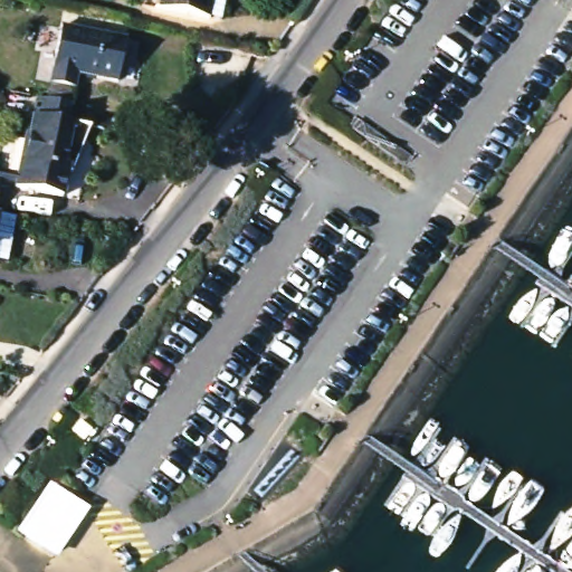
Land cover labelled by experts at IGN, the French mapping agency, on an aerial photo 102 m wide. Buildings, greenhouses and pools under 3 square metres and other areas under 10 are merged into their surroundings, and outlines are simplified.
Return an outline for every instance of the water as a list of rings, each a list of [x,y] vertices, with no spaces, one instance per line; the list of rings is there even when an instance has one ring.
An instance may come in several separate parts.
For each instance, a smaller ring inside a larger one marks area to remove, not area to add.
[[[241,552],[237,556],[248,572],[270,572],[266,565],[252,561],[248,552]]]
[[[398,465],[389,465],[384,469],[384,474],[375,480],[375,489],[366,489],[364,505],[353,516],[353,523],[346,525],[342,538],[311,545],[311,552],[306,556],[297,556],[295,561],[284,563],[279,572],[572,572],[572,199],[561,215],[552,215],[538,239],[532,239],[525,232],[518,237],[507,237],[505,232],[501,232],[501,237],[492,244],[494,252],[501,252],[503,257],[512,259],[525,270],[516,275],[507,286],[505,295],[498,297],[496,311],[489,315],[487,326],[483,326],[478,340],[460,360],[458,371],[447,378],[440,393],[420,411],[420,416],[425,416],[429,422],[413,440],[413,447],[402,451]]]

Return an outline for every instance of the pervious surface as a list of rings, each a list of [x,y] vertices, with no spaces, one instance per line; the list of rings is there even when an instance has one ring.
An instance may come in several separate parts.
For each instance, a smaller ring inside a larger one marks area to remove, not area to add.
[[[105,275],[92,273],[89,266],[69,268],[60,273],[49,273],[34,275],[31,279],[29,275],[22,275],[18,270],[0,270],[0,279],[7,279],[11,284],[36,282],[36,286],[47,290],[58,286],[74,288],[78,290],[85,304],[94,304],[94,295],[98,295],[98,284]]]
[[[293,20],[288,18],[264,20],[257,16],[223,16],[215,29],[273,38],[284,36],[286,27]]]
[[[143,237],[150,217],[156,212],[165,194],[174,185],[170,179],[147,183],[139,177],[139,185],[130,183],[114,197],[103,197],[98,201],[78,199],[56,197],[51,215],[58,219],[65,217],[72,221],[92,223],[96,223],[98,217],[114,217],[114,223],[127,230],[130,248]]]

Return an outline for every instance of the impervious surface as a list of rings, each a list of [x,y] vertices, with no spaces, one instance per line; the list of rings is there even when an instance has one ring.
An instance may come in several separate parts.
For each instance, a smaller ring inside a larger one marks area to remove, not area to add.
[[[36,250],[36,244],[34,237],[27,237],[27,228],[22,226],[22,221],[16,219],[11,255],[29,257]]]
[[[369,9],[369,20],[378,25],[375,34],[362,51],[344,51],[349,72],[344,72],[337,78],[335,89],[335,103],[344,105],[353,114],[353,130],[362,139],[366,139],[387,154],[398,147],[398,156],[409,161],[409,168],[413,170],[416,179],[409,181],[402,172],[387,165],[360,145],[344,136],[340,130],[324,123],[320,116],[313,116],[308,112],[308,94],[317,83],[315,74],[322,72],[324,65],[331,60],[331,49],[340,34],[346,31],[351,16],[360,7]],[[83,498],[89,505],[89,509],[60,552],[47,554],[36,550],[20,532],[20,525],[0,527],[0,572],[132,572],[132,568],[159,554],[163,545],[179,543],[179,532],[183,527],[190,530],[194,525],[219,525],[221,534],[194,550],[188,550],[183,556],[179,556],[159,572],[248,572],[237,556],[241,552],[248,552],[252,561],[266,565],[270,572],[279,572],[284,563],[295,561],[297,556],[306,556],[311,552],[311,545],[342,538],[346,525],[353,523],[353,516],[364,505],[366,489],[375,489],[375,480],[384,474],[384,469],[389,465],[398,465],[402,451],[413,447],[413,440],[429,422],[425,416],[420,416],[420,411],[440,393],[447,378],[458,371],[460,360],[478,340],[483,326],[487,326],[489,315],[496,311],[498,297],[505,295],[507,286],[516,275],[525,270],[512,259],[503,257],[501,252],[494,252],[492,244],[501,237],[501,232],[505,232],[507,237],[518,237],[525,232],[532,239],[538,239],[552,215],[561,215],[572,199],[572,89],[561,101],[552,121],[545,125],[541,139],[527,150],[527,154],[514,168],[501,197],[480,197],[480,201],[471,208],[476,219],[463,223],[467,228],[467,239],[471,244],[465,255],[454,259],[442,248],[449,241],[449,235],[454,232],[454,223],[436,212],[440,199],[449,192],[454,181],[471,179],[476,188],[487,185],[487,181],[494,177],[494,170],[501,168],[501,159],[507,159],[503,150],[496,147],[496,141],[501,145],[512,147],[514,139],[523,130],[534,132],[534,125],[525,125],[525,118],[534,116],[534,112],[541,107],[541,101],[545,101],[556,76],[563,69],[572,72],[572,0],[320,0],[306,20],[293,20],[286,27],[284,36],[290,42],[275,56],[244,51],[230,45],[203,45],[201,49],[192,47],[192,56],[197,58],[192,63],[192,78],[179,94],[174,94],[179,112],[188,114],[197,130],[215,141],[215,159],[212,165],[206,165],[194,179],[174,185],[165,194],[156,212],[150,217],[143,237],[130,248],[127,255],[105,275],[98,284],[98,295],[94,295],[94,304],[85,304],[78,311],[78,315],[65,326],[63,335],[47,351],[34,351],[27,344],[0,342],[0,358],[16,351],[22,355],[22,364],[34,366],[31,373],[20,378],[7,395],[0,395],[0,485],[2,476],[16,474],[18,465],[25,460],[25,456],[31,454],[31,449],[38,449],[45,440],[47,445],[56,445],[56,438],[47,436],[45,427],[60,422],[63,407],[67,404],[72,391],[80,395],[85,393],[89,380],[83,378],[85,371],[89,366],[101,369],[107,362],[107,358],[121,346],[125,335],[130,333],[130,328],[141,320],[141,315],[152,315],[165,288],[181,286],[177,273],[179,261],[192,248],[192,241],[201,244],[210,235],[212,226],[208,221],[215,215],[217,219],[226,217],[230,208],[230,197],[244,181],[241,165],[266,163],[277,177],[268,188],[268,194],[264,197],[259,212],[252,215],[252,223],[241,226],[239,237],[235,237],[228,244],[228,257],[219,257],[217,264],[210,261],[206,255],[199,259],[199,284],[192,290],[181,293],[181,299],[174,311],[163,311],[147,342],[145,353],[141,355],[141,362],[145,366],[141,366],[139,380],[125,395],[130,404],[121,416],[112,418],[105,431],[94,431],[94,436],[87,438],[92,445],[92,454],[89,460],[80,463],[78,480],[83,483],[72,492],[78,498]],[[380,170],[384,177],[400,183],[404,188],[404,194],[391,192],[389,188],[380,185],[371,174],[364,174],[362,170],[353,168],[351,163],[333,154],[326,145],[311,136],[311,127],[322,130],[337,145],[353,152],[371,168]],[[407,331],[402,342],[395,346],[387,364],[371,382],[369,400],[353,413],[340,409],[340,404],[333,398],[328,398],[333,373],[346,371],[349,364],[355,371],[362,371],[375,346],[382,342],[384,333],[389,333],[389,326],[398,320],[400,311],[404,308],[404,297],[411,295],[411,288],[420,286],[427,268],[436,259],[445,261],[449,270],[425,302],[420,317],[413,322],[413,326]],[[266,494],[284,476],[286,469],[293,467],[295,454],[288,451],[288,445],[299,447],[299,440],[293,436],[290,425],[302,413],[311,413],[317,420],[331,420],[328,436],[333,438],[333,442],[322,456],[317,456],[304,480],[297,485],[297,489],[264,505],[257,514],[250,516],[248,525],[232,521],[232,509],[244,496],[259,496]],[[139,523],[132,516],[132,501],[136,498],[136,494],[145,494],[154,505],[165,505],[168,496],[185,478],[192,478],[199,485],[203,485],[203,494],[177,505],[168,516],[152,523]]]
[[[127,74],[125,78],[98,74],[92,80],[94,85],[112,83],[121,87],[134,87],[134,74]]]
[[[74,11],[63,11],[58,25],[47,27],[42,27],[38,34],[38,80],[47,83],[60,51],[65,25],[76,20]]]
[[[83,261],[72,261],[69,268],[89,266],[94,255],[92,241],[85,239],[80,246]]]
[[[4,145],[4,152],[9,168],[18,170],[25,152],[25,139],[20,139]]]

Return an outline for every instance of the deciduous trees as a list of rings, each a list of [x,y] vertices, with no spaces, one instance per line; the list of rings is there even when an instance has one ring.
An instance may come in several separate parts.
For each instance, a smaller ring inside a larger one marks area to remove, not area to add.
[[[0,107],[0,152],[4,152],[4,145],[20,139],[27,132],[27,127],[20,123],[18,114]]]
[[[223,16],[257,16],[264,20],[288,18],[297,9],[299,0],[226,0]]]
[[[125,101],[118,109],[112,109],[109,125],[112,139],[114,150],[121,147],[125,152],[130,172],[139,177],[147,183],[170,179],[174,185],[194,179],[206,165],[212,165],[215,159],[215,141],[197,130],[188,114],[179,112],[163,112],[165,98],[145,96],[143,101]]]
[[[114,217],[98,217],[96,223],[92,223],[72,221],[65,217],[58,219],[51,215],[20,210],[16,219],[22,221],[22,226],[27,228],[27,237],[34,237],[36,244],[45,252],[45,264],[49,266],[49,273],[60,273],[69,268],[72,261],[74,246],[80,246],[85,239],[92,241],[94,255],[89,266],[92,273],[105,275],[127,255],[130,248],[127,230],[114,223]]]

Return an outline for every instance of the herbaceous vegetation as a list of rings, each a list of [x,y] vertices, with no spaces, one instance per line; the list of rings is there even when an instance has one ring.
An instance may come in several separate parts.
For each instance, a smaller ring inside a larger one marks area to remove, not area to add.
[[[326,145],[333,154],[351,163],[353,168],[362,170],[364,174],[371,174],[380,185],[389,188],[391,192],[404,194],[404,188],[400,183],[384,177],[380,170],[371,168],[353,152],[337,145],[322,130],[311,127],[311,136]]]
[[[387,165],[402,172],[409,181],[416,179],[413,170],[409,168],[409,161],[398,156],[398,147],[387,154],[366,139],[362,139],[360,145]]]
[[[20,123],[27,127],[31,121],[31,103],[38,103],[38,96],[60,98],[60,114],[65,114],[67,118],[92,118],[96,123],[109,125],[112,109],[118,109],[125,101],[143,101],[145,96],[165,98],[163,112],[179,112],[174,94],[179,94],[192,78],[192,63],[197,58],[192,56],[192,47],[188,47],[183,36],[161,38],[159,49],[134,74],[134,87],[121,87],[112,83],[94,85],[92,80],[85,74],[80,74],[74,63],[69,63],[67,80],[72,80],[72,87],[47,83],[38,80],[38,34],[18,38],[16,27],[20,22],[38,16],[47,20],[47,27],[58,25],[63,11],[54,7],[40,11],[34,11],[29,7],[7,9],[2,0],[0,0],[0,107],[18,114]]]
[[[118,168],[116,177],[112,181],[98,181],[96,174],[87,174],[78,199],[98,201],[103,197],[114,197],[130,183],[139,185],[139,177],[130,172],[125,152],[121,147],[114,150],[112,139],[96,139],[98,152],[92,159],[92,165],[98,168],[107,156],[112,156]]]
[[[317,456],[304,456],[299,447],[288,445],[288,451],[295,454],[293,467],[286,469],[284,476],[266,494],[259,496],[264,505],[297,489],[297,485],[304,480]]]

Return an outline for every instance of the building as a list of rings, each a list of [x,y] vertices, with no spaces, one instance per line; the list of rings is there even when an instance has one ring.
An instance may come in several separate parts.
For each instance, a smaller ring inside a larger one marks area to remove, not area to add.
[[[85,420],[76,420],[76,436],[87,438],[94,436],[94,431]]]
[[[152,0],[141,4],[143,13],[159,16],[185,27],[215,29],[223,16],[226,0]]]
[[[58,483],[49,483],[20,525],[20,532],[36,550],[47,554],[60,552],[89,509],[89,505],[83,498],[78,498],[72,492],[67,492]]]
[[[0,257],[9,259],[11,255],[16,219],[20,210],[51,215],[56,197],[78,199],[87,174],[92,165],[92,159],[98,152],[96,139],[112,139],[109,125],[96,123],[92,118],[67,118],[65,114],[60,114],[60,98],[38,96],[38,103],[31,103],[31,121],[27,127],[27,132],[20,139],[25,139],[25,152],[18,170],[9,168],[4,152],[0,152]]]
[[[463,223],[476,219],[471,208],[480,201],[480,197],[476,188],[471,179],[454,181],[449,192],[440,199],[436,212],[454,223]]]
[[[125,78],[127,74],[134,74],[159,49],[161,38],[125,29],[112,22],[87,18],[76,20],[65,25],[60,51],[47,83],[72,87],[72,80],[67,80],[69,63],[74,63],[80,74],[85,74],[92,80],[98,74]]]
[[[72,261],[83,261],[80,246],[74,246]]]

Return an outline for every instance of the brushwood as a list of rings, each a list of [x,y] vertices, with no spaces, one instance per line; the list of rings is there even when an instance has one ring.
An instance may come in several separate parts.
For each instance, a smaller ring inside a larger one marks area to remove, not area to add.
[[[344,72],[349,72],[344,51],[362,51],[375,34],[378,25],[369,20],[369,9],[360,7],[351,16],[346,31],[340,34],[331,49],[331,60],[324,65],[322,72],[315,74],[317,83],[308,94],[308,112],[313,116],[320,116],[324,123],[340,130],[344,136],[360,145],[362,139],[353,130],[353,114],[344,105],[335,103],[335,89],[337,78]]]
[[[45,440],[38,449],[31,449],[31,454],[25,456],[25,460],[18,465],[16,474],[2,476],[0,485],[0,527],[20,525],[49,483],[58,483],[67,492],[72,492],[83,483],[78,480],[80,463],[89,460],[92,454],[92,445],[87,438],[76,436],[76,420],[85,420],[94,431],[105,431],[112,418],[121,416],[130,404],[125,395],[139,380],[141,366],[145,366],[141,362],[141,355],[145,353],[147,342],[163,311],[174,311],[181,299],[181,293],[192,290],[199,284],[199,259],[206,255],[210,261],[217,264],[219,257],[228,257],[228,244],[235,237],[239,237],[241,226],[252,223],[252,215],[259,212],[264,197],[268,194],[268,188],[277,177],[266,163],[241,165],[244,181],[230,197],[230,208],[226,217],[217,219],[215,215],[208,221],[212,226],[210,235],[201,244],[192,241],[192,248],[179,261],[177,273],[181,286],[165,288],[152,315],[141,315],[141,320],[130,328],[130,333],[125,335],[121,346],[107,358],[107,362],[101,369],[89,366],[85,371],[83,378],[89,380],[85,393],[80,395],[72,391],[67,404],[63,407],[60,422],[45,427],[47,436],[56,438],[56,445],[47,445]]]
[[[65,326],[78,315],[78,311],[85,304],[78,290],[74,288],[58,286],[47,290],[36,286],[36,282],[11,284],[7,279],[0,279],[0,342],[27,344],[34,351],[47,351],[63,335]]]
[[[45,252],[36,244],[36,250],[29,257],[11,255],[9,259],[0,257],[0,270],[18,270],[22,275],[29,275],[31,279],[34,275],[49,273],[49,266],[45,264]]]
[[[275,56],[290,42],[284,36],[273,38],[215,29],[185,27],[159,16],[143,13],[141,4],[152,0],[2,0],[7,9],[29,7],[34,11],[40,11],[54,7],[63,11],[74,11],[76,20],[87,18],[112,22],[125,29],[161,38],[183,36],[188,47],[192,47],[201,49],[203,45],[230,45],[244,51]]]
[[[320,0],[299,0],[297,9],[288,18],[293,20],[306,20]]]
[[[16,351],[0,358],[0,395],[7,395],[20,378],[31,373],[34,366],[22,364],[22,355]]]
[[[527,150],[541,139],[545,125],[552,121],[561,101],[572,89],[572,72],[563,69],[556,76],[545,101],[541,101],[541,107],[534,112],[534,116],[525,118],[525,125],[534,125],[534,132],[523,130],[514,139],[512,147],[501,145],[496,141],[496,147],[503,150],[507,159],[501,159],[501,168],[494,170],[494,177],[487,181],[487,185],[476,188],[480,197],[501,197],[514,168],[527,154]]]
[[[179,556],[183,556],[188,550],[194,550],[221,534],[219,525],[194,525],[190,530],[183,527],[179,532],[179,543],[163,545],[159,554],[132,568],[132,572],[159,572]]]
[[[404,308],[400,311],[398,320],[389,326],[389,333],[384,333],[382,342],[375,346],[362,371],[355,371],[349,364],[346,371],[333,373],[328,398],[333,398],[340,404],[340,409],[353,413],[369,400],[371,382],[387,364],[395,346],[402,342],[407,331],[413,326],[413,322],[420,317],[425,302],[449,270],[445,261],[436,259],[427,268],[420,286],[411,288],[411,295],[404,297]]]
[[[449,241],[442,248],[454,259],[465,255],[471,244],[467,239],[467,228],[463,223],[454,223],[454,232],[449,235]]]
[[[152,523],[168,516],[177,505],[203,494],[203,485],[199,485],[192,478],[185,478],[168,496],[165,505],[154,505],[145,494],[136,494],[136,498],[132,501],[132,516],[139,523]]]
[[[42,27],[47,27],[47,20],[38,16],[20,22],[16,27],[18,38],[38,34]]]
[[[116,177],[118,168],[112,156],[107,156],[98,168],[92,165],[87,174],[96,174],[98,181],[112,181]]]
[[[333,442],[333,438],[328,436],[331,420],[317,420],[311,413],[302,413],[290,425],[293,436],[299,440],[299,447],[304,456],[317,456],[322,456]]]
[[[232,521],[248,525],[250,516],[257,514],[264,505],[259,496],[244,496],[232,509]]]

